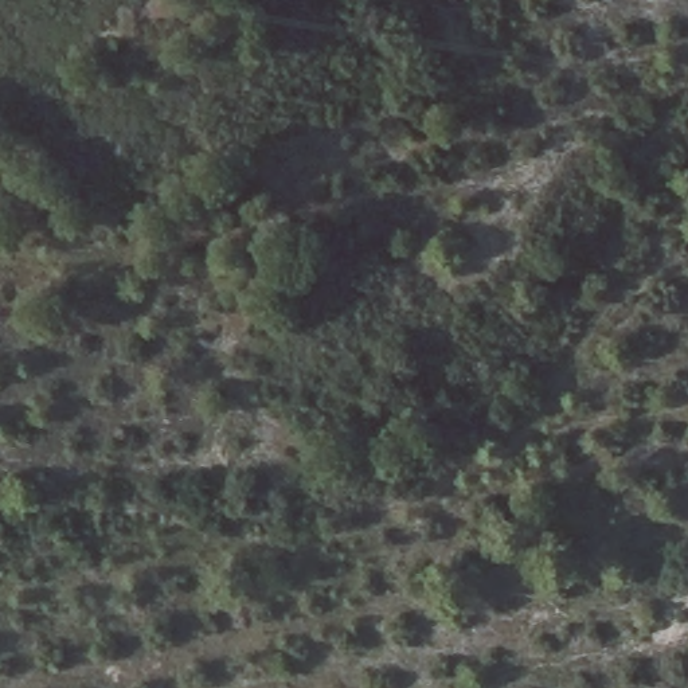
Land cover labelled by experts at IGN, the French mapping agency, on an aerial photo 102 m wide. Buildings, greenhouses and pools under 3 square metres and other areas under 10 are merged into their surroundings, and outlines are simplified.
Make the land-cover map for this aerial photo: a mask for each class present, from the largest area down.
<instances>
[{"label":"deciduous trees","instance_id":"1","mask_svg":"<svg viewBox=\"0 0 688 688\"><path fill-rule=\"evenodd\" d=\"M169 5L164 16L172 19V30L156 48V62L161 67L153 73L151 81L129 78L126 83L116 86L124 105L134 108L140 129V137L132 145H126L118 159L132 164L129 177L137 188L148 191V199L142 204H134L129 212V245L124 253V263L132 266L126 269L124 282L118 285V296L129 301L132 314L137 320H151V336L145 339L137 333L132 339L129 357L148 366L167 347L172 331H183L188 341L185 357H177L164 376L185 382L196 390V417L204 425H212L226 409H263L269 411V417L282 419V433L290 441V446L285 449V454H280L277 462H261L255 468H231L228 462L196 470L177 468L167 470L159 478V484L145 481L140 489L129 481L134 470L116 462L99 465L97 473H75L70 465H32L22 470L16 478H3L0 484V629L16 634L22 653L30 645H40L48 661L59 669L83 664L86 650L99 653L116 632L140 637L145 650H169L175 648L172 640L164 637V632L169 629V613H194V591L207 570L204 562L210 556L226 551L237 556L239 551L255 543H266L282 551H301L306 546L309 551H320L325 559H333L336 570V575L312 578L301 589L314 610L328 613L333 607H341V602H352L357 607L363 605V597L368 591L382 597L395 589L411 610L425 613L435 624L433 640L430 645L395 642L368 650L349 648L344 640L331 637V656L309 675H290L274 658L253 664L250 653H242L226 658V672L239 688H366L371 667H398L414 672L419 688H688V632L675 645L656 642L653 634L672 624L688 626V242L680 231L683 204L669 183L677 172H688V16L669 19L672 67L667 73V89L653 94L640 86V78L629 70V65L607 62L605 51L615 46L613 35L607 32V27L578 24L572 13V0H452L465 13H470L473 27L492 40L495 54L503 59V67L497 70L500 86H519L521 91H529L535 97V105L543 110V121L538 126L508 132L486 126L484 132H476L465 129L457 121H449L438 108L435 81L430 78L427 56L417 46L411 24L398 16H390L387 11L374 8L371 0H336L339 19L344 22V27L336 32L339 48L331 56L328 51H269V46L261 38L263 30L255 22V13L242 0H167ZM306 124L317 129H331L333 140L349 159L339 172L317 177L320 185L331 188V196L341 199V180L357 172V180L371 194H398L409 199L422 196L425 204L441 215H449V199H468L462 191H457V180L495 177L497 167H505L508 161H529L543 156L546 151H556L559 145L570 142L581 129L586 142L562 164V172L540 191V207L527 220L529 226L521 237L524 247L516 253V261L500 263L495 280L446 290L438 285L433 274L422 271L419 255L425 250V242L419 237L395 231L390 242L395 266H376V271L366 274L357 290L355 309L344 312L331 323L296 333L290 323L301 312L296 296L306 293V288L312 285V261L320 253L314 223L282 212L271 215L266 210V199L255 196L245 202L239 194L226 191L218 183L215 169L210 167V151L245 148L247 156H253L255 142L263 134H280L288 126ZM210 285L215 288L223 306L239 309L242 323L247 325V341L245 347H237L231 357L234 368H253V379L223 376L215 349L199 347V341L218 339L212 336V331H196V312H185L177 304V288H194L204 293ZM387 500H403L409 516L425 519L430 540H452L457 529H462L473 538V546L452 564H422L398 586L387 583L384 564L376 551L387 543L409 546L417 538V532H406L392 521V516L384 508ZM78 218L73 215L70 199L54 191L46 159L30 142H22L13 134H0V261L16 258L22 242L30 247H46L59 253L67 239H75ZM65 306L56 288L43 290L38 285H27L13 298L8 323L13 333L30 347H46L51 341V333H59L62 328Z\"/></svg>","mask_w":688,"mask_h":688},{"label":"herbaceous vegetation","instance_id":"2","mask_svg":"<svg viewBox=\"0 0 688 688\"><path fill-rule=\"evenodd\" d=\"M169 5L167 0H0V134H13L22 142H30L46 159L54 191L70 199L73 215L78 218L75 239H67L59 253L46 247H30L22 242L16 258L0 261V484L3 478H16L22 470L32 465H70L75 473H97L99 465L116 462L134 470L129 481L140 489L145 481L159 484V478L167 470L177 468L196 470L228 462L231 468H255L261 462H277L280 454H285V449L290 446V441L282 433V419L269 417V411L263 409H226L212 425H204L196 417V390L185 382L164 376L177 357H185L188 341L183 331H172L167 347L148 366L129 357L132 339L137 333L145 339L151 336V320H137L132 314L129 301L118 296V285L124 282L126 269L132 266L124 263V253L129 245V212L134 204H142L148 199V191L137 188L129 177L132 164L118 159L126 145H132L140 137V129L134 108L124 105L116 86L126 83L129 78L151 81L153 73L161 67L156 62V48L172 30V19L164 16ZM70 46H78L81 56L94 54L97 67L105 73L99 89L89 94L83 91L81 99L70 97L54 75L59 54H67ZM27 285H38L43 290L56 288L65 306L62 328L59 333H51V341L46 347H30L13 333L8 323L13 298ZM255 13V22L263 30L261 38L269 46V51H328L331 56L339 48L336 32L344 27V22L339 19L336 0H242ZM374 8L387 11L390 16H398L411 24L417 46L427 56L430 78L435 81L438 108L449 121H457L465 129L476 132H484L486 126L508 132L538 126L543 121V110L535 105V97L529 91H521L519 86H500L497 70L503 67V59L495 54L492 40L473 27L470 13H465L452 0H371ZM572 13L578 24L607 27V32L613 35L615 46L605 51L607 62L629 65V70L640 78V86L653 94L667 89V73L672 67L669 19L688 16V0H572ZM586 142L581 129L570 142L559 145L556 151H546L543 156L529 161H508L505 167H497L495 177L457 180V191H462L468 199H449V215H441L425 204L422 196L409 199L398 194H371L357 180V172L341 180V199L331 196V188L320 185L317 177L339 172L349 159L333 140L331 129H317L306 124L288 126L280 134H263L255 142L253 156H247L245 148L210 151V167L215 169L218 183L226 191L239 194L245 202L255 196L266 199V210L271 215L282 212L314 223L320 253L312 261V285L306 288V293L296 296L301 312L290 323L296 333L331 323L344 312L355 309L357 290L366 274L376 271V266H395L390 242L395 231L419 237L425 242V250L419 255L422 271L433 274L438 285L446 290L495 280L500 263L516 261V253L524 247L521 237L529 226L527 220L540 207V191L562 172V164ZM683 204L680 231L688 242V172H677L669 183ZM177 304L185 312H196V331H212V336L218 339L199 341V347L215 349L223 376L253 379V368H234L231 357L237 347H245L247 341V325L242 323L239 309L223 306L215 288L210 285L204 293L194 288H177ZM384 508L392 516V521L406 532H417V538L409 546L387 543L376 551L384 564L387 583L398 586L422 564H452L473 546V538L462 529H457L452 540H430L425 519L409 516L403 500H387ZM207 570L194 591V613H169V629L164 632V637L172 640L175 648L169 650H145L140 637L116 632L99 653L86 650L83 664L59 669L48 661L40 645H30L22 653L16 634L0 629V688H239L226 672V658L242 653H250L253 664L274 658L290 675H309L331 656V637L344 640L349 648L368 650L395 642L430 645L433 640L435 624L425 613L411 610L395 589L382 597L368 591L363 597V605L357 607L352 602H341V607H333L328 613L314 610L301 589L312 578L336 575V570L333 559H325L320 551H309L306 546L301 551H282L266 543H255L239 551L237 556L226 551L210 556L204 562ZM366 688H419L414 672L398 667H371Z\"/></svg>","mask_w":688,"mask_h":688},{"label":"brushwood","instance_id":"3","mask_svg":"<svg viewBox=\"0 0 688 688\"><path fill-rule=\"evenodd\" d=\"M54 75L70 97L81 99L83 91L89 94L99 89L105 73L97 67L94 54L81 56L78 46H70L67 54H59Z\"/></svg>","mask_w":688,"mask_h":688},{"label":"bare soil","instance_id":"4","mask_svg":"<svg viewBox=\"0 0 688 688\"><path fill-rule=\"evenodd\" d=\"M688 632V626L672 624L653 634L656 642L675 645Z\"/></svg>","mask_w":688,"mask_h":688}]
</instances>
